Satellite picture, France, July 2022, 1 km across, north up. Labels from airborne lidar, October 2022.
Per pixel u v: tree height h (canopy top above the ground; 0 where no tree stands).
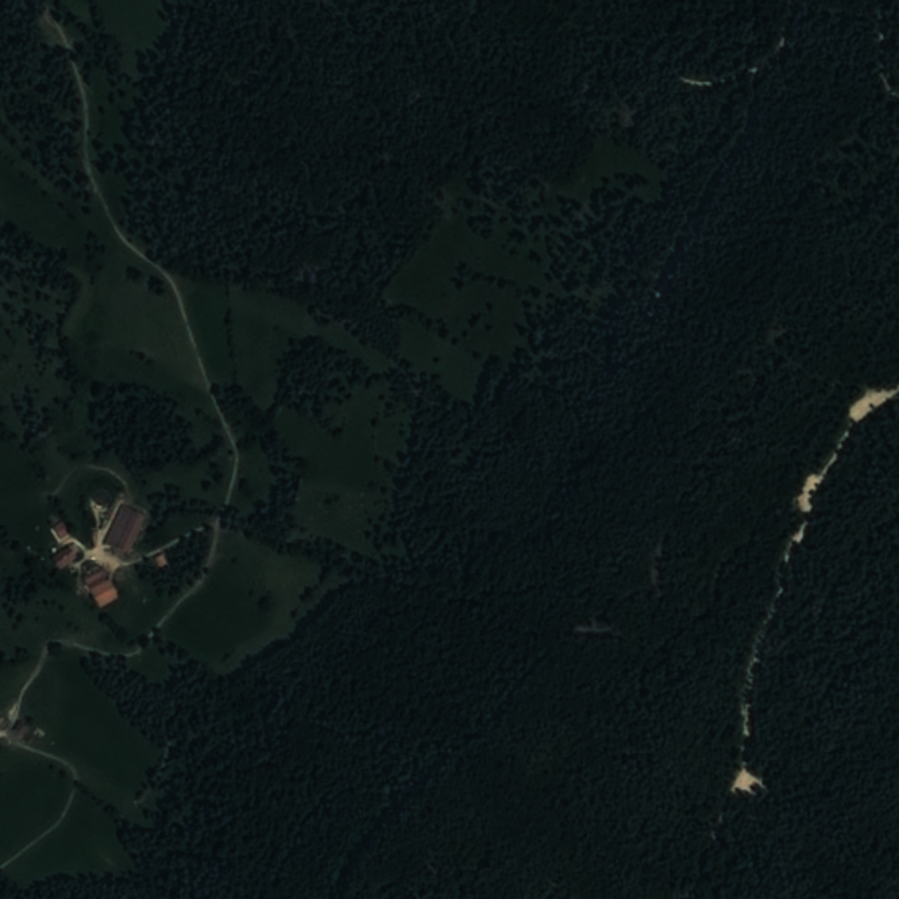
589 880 24
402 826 19
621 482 29
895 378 11
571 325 24
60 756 0
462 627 27
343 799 31
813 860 20
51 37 0
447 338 23
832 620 22
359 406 0
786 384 16
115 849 0
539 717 22
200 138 27
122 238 0
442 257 0
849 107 28
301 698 25
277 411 9
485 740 13
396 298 0
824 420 13
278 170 25
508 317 0
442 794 20
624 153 0
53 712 0
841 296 26
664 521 22
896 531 17
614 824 17
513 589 26
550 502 12
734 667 20
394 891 14
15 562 0
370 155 24
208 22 10
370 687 27
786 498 19
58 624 0
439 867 19
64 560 0
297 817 23
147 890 21
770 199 31
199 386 0
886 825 21
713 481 20
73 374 19
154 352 0
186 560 19
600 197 17
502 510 15
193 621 0
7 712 0
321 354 17
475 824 18
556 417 19
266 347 0
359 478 0
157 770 7
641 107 19
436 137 24
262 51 11
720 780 34
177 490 14
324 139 22
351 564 8
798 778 25
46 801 0
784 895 26
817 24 26
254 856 25
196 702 16
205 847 21
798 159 24
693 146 24
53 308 0
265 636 0
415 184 28
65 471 0
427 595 25
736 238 26
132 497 0
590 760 27
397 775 28
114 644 0
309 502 0
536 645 27
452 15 12
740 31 19
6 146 0
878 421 26
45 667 0
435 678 29
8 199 0
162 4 0
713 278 32
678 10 6
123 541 0
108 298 0
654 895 22
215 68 12
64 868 0
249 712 20
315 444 0
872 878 20
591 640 20
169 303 0
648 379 28
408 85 26
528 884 24
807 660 27
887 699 19
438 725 28
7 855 0
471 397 0
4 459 0
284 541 12
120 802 0
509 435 13
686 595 16
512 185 33
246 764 21
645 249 28
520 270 0
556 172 25
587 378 23
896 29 22
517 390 20
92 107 0
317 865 29
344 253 29
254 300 0
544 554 31
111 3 0
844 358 14
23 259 24
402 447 0
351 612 24
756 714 19
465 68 22
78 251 0
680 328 31
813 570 16
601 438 23
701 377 27
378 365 0
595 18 8
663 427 30
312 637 23
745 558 16
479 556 29
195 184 30
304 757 30
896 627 13
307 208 30
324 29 32
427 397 9
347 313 19
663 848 12
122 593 8
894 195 31
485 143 28
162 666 0
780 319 12
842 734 18
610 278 22
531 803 23
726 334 29
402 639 25
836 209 25
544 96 28
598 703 22
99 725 0
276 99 28
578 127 28
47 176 17
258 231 24
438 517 22
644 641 24
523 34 14
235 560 8
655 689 25
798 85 23
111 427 7
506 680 23
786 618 18
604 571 17
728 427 19
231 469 0
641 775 16
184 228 25
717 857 26
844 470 6
